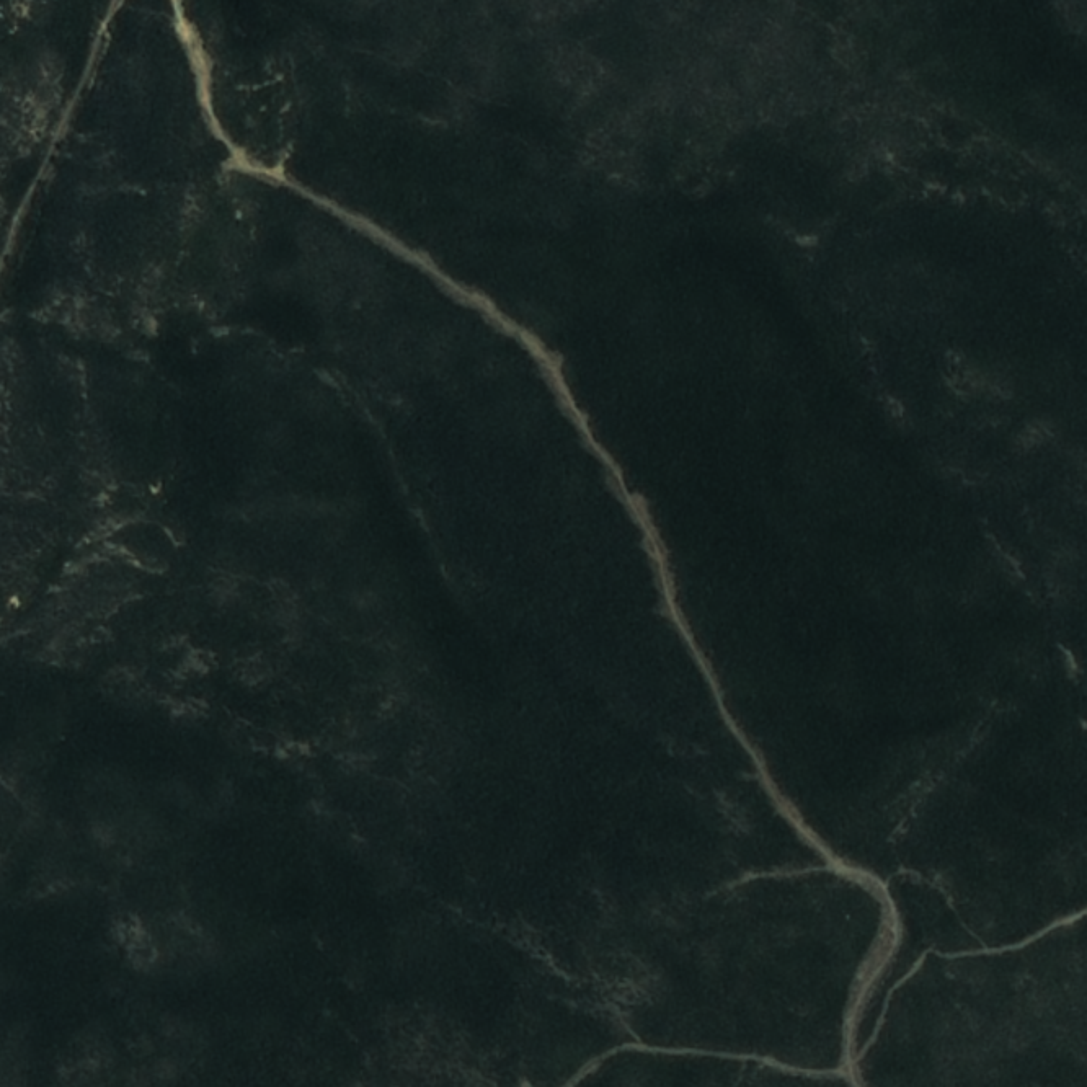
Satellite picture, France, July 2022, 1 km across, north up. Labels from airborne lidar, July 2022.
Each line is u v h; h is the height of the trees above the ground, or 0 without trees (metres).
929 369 6
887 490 6
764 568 8
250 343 6
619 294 5
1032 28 6
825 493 6
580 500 5
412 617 6
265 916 7
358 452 7
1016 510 6
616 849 6
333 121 5
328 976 8
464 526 5
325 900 7
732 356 7
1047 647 6
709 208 6
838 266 5
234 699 5
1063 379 6
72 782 6
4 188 7
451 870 7
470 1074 0
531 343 0
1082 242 6
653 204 8
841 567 6
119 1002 5
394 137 6
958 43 5
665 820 6
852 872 0
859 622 6
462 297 0
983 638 6
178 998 6
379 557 6
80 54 7
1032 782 7
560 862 7
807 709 5
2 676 5
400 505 6
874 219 7
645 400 6
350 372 6
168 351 5
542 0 0
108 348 5
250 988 6
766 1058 0
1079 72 6
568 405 0
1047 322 6
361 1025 6
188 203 0
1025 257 6
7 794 0
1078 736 6
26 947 6
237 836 5
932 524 6
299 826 7
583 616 5
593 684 5
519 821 6
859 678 6
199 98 0
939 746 6
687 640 0
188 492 6
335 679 6
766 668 6
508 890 6
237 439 5
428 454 5
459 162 5
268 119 7
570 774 6
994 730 6
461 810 5
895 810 6
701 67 0
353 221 0
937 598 6
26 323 6
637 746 7
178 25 0
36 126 0
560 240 5
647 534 0
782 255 6
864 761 6
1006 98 6
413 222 6
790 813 0
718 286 7
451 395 6
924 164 6
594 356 6
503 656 6
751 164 6
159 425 6
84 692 8
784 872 0
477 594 6
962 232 6
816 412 6
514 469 6
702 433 5
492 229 6
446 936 6
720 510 8
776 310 6
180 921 0
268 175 0
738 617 6
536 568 5
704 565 6
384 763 5
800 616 8
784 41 0
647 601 6
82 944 6
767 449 6
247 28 6
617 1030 0
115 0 0
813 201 6
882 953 0
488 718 6
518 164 7
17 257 8
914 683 6
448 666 5
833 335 7
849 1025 0
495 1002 6
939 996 7
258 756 6
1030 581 7
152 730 7
